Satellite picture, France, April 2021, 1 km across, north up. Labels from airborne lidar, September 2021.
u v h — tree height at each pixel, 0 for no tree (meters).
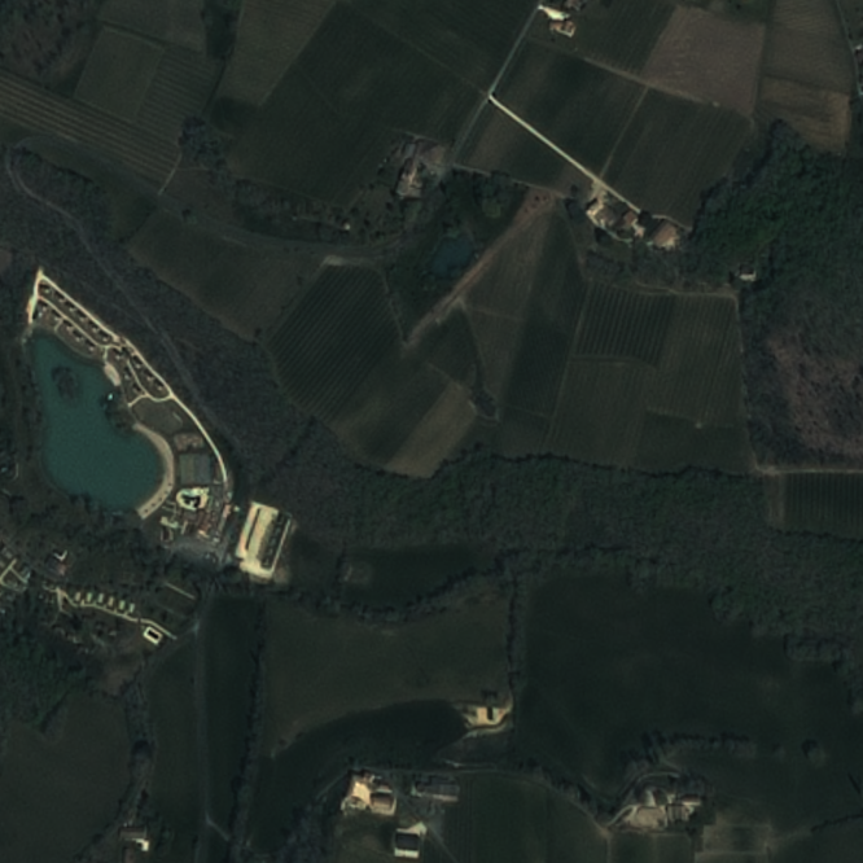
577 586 0
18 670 17
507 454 0
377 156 0
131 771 12
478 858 0
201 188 0
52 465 0
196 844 10
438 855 0
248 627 0
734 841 0
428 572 0
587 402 0
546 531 25
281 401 18
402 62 0
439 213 8
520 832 0
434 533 16
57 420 0
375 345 0
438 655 0
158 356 19
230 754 0
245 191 15
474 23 0
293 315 0
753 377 16
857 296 18
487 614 0
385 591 0
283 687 0
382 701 0
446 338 0
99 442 0
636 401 0
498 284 0
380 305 0
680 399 0
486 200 13
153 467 0
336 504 17
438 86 0
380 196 0
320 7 0
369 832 0
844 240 22
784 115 0
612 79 0
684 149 0
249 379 20
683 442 0
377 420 0
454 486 21
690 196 0
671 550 27
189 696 0
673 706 0
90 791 0
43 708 17
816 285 19
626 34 0
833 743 0
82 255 25
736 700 0
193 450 7
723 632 0
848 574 24
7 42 17
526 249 0
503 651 0
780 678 0
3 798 0
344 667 0
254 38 0
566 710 0
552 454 0
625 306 0
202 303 0
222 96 0
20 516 13
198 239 0
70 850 0
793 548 19
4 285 14
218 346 21
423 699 0
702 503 16
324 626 0
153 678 0
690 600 0
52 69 19
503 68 0
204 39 0
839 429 0
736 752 21
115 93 0
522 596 19
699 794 20
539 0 0
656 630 0
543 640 0
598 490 25
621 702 0
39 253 21
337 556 0
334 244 15
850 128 0
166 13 0
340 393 0
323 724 0
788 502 0
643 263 18
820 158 11
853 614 16
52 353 0
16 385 0
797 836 0
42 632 7
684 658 0
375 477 16
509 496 25
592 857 0
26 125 0
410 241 17
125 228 0
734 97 0
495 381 0
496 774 0
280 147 0
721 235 21
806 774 0
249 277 0
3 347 0
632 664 0
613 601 0
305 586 0
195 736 0
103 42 0
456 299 0
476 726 0
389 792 0
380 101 0
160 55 0
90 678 8
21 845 0
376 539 19
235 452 10
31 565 7
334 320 0
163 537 0
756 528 16
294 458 14
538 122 0
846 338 17
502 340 0
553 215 0
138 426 0
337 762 0
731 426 0
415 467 0
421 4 0
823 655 18
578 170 0
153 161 0
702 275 21
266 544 11
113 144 0
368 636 0
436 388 0
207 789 0
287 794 0
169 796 0
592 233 0
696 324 0
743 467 0
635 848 0
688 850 0
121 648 9
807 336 18
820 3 0
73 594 9
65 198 22
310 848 16
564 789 14
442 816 0
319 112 0
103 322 16
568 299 0
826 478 0
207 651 0
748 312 18
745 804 0
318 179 0
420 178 6
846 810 0
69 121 0
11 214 20
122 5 0
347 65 0
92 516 16
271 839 0
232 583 11
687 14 0
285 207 9
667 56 0
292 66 0
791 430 14
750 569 20
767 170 19
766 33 0
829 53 0
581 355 0
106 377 0
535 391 0
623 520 30
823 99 0
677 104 0
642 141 0
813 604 17
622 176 0
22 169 19
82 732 0
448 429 0
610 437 0
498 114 0
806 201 22
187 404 14
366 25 0
